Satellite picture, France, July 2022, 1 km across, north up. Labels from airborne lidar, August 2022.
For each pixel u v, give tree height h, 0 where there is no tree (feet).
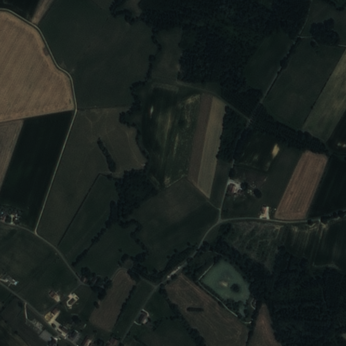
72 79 0
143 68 0
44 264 0
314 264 0
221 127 0
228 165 0
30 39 0
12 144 0
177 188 0
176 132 0
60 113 0
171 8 19
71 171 0
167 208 0
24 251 0
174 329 0
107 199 0
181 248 0
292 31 87
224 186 0
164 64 0
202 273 0
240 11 82
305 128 0
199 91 0
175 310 42
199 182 0
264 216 0
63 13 0
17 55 0
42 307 0
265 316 0
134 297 0
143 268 87
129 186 18
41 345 0
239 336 0
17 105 0
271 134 58
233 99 53
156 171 0
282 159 0
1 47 0
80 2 0
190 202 0
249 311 24
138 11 0
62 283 0
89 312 0
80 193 0
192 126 0
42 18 0
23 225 0
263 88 0
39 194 0
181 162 0
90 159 0
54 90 0
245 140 62
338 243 0
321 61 0
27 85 0
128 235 0
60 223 0
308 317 31
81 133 0
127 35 0
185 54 32
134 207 29
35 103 0
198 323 0
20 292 0
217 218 0
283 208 0
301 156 0
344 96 0
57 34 0
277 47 0
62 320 0
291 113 0
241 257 93
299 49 0
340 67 0
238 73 93
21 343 0
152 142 0
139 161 0
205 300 0
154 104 0
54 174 0
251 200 0
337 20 0
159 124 0
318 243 0
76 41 0
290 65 0
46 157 0
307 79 0
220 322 0
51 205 0
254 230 24
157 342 0
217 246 18
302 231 0
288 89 0
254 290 52
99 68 0
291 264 74
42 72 0
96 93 0
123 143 0
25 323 0
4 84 0
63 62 0
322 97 0
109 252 0
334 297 71
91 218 0
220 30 21
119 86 0
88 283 22
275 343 0
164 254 0
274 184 0
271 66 0
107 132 0
